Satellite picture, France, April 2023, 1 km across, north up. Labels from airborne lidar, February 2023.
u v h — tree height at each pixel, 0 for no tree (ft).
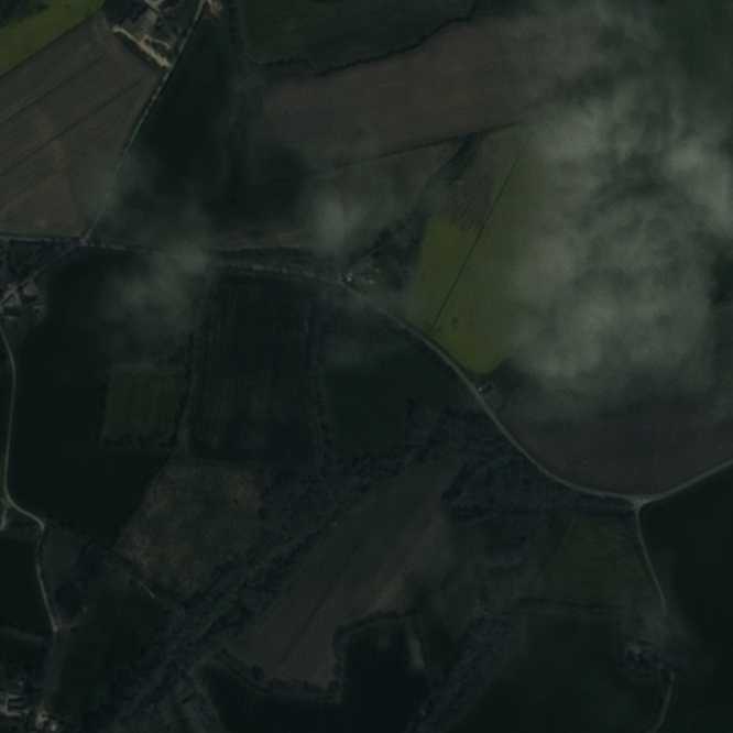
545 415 0
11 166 0
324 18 0
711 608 0
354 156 0
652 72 0
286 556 24
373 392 0
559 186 0
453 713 40
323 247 0
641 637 0
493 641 51
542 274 0
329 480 74
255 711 0
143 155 0
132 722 54
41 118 0
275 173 0
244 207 0
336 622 0
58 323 0
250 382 0
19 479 0
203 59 0
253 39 0
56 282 0
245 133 0
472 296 0
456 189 0
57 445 0
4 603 0
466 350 0
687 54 0
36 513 0
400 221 0
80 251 62
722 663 0
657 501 0
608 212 67
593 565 0
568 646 0
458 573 0
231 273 37
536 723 0
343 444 0
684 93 0
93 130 0
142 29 0
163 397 0
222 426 0
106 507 0
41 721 0
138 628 0
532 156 0
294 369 0
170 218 0
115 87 0
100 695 0
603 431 0
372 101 0
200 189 0
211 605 70
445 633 0
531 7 0
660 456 0
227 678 0
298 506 68
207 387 0
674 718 0
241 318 0
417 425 57
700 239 0
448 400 0
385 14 0
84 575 71
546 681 0
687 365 0
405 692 0
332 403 0
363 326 108
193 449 0
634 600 0
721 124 0
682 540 0
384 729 0
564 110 24
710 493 0
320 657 0
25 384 0
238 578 67
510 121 0
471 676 25
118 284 0
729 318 0
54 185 0
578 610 32
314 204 0
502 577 54
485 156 0
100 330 0
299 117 0
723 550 0
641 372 0
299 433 0
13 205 0
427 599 0
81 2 0
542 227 0
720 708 0
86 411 0
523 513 40
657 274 0
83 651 0
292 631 0
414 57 0
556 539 0
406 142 0
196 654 72
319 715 0
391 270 0
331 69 22
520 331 0
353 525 0
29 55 0
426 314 0
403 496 0
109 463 0
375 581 0
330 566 0
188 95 0
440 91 0
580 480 0
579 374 0
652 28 0
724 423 0
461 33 0
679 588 0
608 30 39
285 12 0
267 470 0
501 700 0
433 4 0
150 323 0
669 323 0
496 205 0
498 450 45
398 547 0
